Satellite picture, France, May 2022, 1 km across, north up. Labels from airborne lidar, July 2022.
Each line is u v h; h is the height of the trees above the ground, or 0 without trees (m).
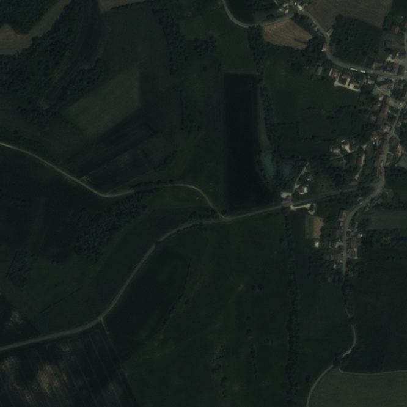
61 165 0
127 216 29
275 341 0
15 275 13
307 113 0
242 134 0
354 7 0
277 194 8
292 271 8
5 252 0
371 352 0
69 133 0
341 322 0
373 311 0
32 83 17
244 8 0
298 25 0
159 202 0
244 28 0
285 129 0
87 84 11
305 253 0
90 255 8
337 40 7
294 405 15
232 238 0
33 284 0
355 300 0
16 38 0
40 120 25
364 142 8
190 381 0
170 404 0
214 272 0
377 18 0
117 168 0
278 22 0
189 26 0
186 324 0
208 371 0
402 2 0
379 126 0
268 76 0
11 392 0
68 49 17
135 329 0
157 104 0
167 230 0
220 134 0
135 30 0
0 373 0
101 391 0
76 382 0
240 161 0
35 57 23
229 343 0
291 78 0
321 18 0
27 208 13
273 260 0
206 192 0
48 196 0
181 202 0
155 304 0
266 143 0
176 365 0
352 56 0
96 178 0
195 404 0
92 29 0
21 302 0
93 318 0
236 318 0
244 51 0
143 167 0
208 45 21
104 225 8
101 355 0
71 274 0
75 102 0
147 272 0
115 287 0
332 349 0
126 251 0
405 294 0
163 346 0
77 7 13
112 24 0
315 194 0
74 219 0
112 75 0
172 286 0
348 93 0
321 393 0
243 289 0
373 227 0
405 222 0
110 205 0
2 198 16
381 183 0
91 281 0
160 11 15
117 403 0
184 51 15
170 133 0
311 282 0
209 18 0
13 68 14
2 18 15
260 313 0
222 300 0
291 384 12
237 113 0
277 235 0
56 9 0
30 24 17
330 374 0
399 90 8
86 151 0
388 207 8
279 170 10
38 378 0
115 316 0
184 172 0
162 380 0
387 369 0
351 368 0
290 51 8
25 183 0
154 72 0
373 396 0
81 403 0
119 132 0
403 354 0
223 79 0
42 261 0
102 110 0
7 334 0
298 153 0
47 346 0
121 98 0
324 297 0
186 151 0
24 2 25
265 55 13
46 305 0
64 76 0
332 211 0
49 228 0
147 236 0
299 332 10
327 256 0
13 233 0
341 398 0
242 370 0
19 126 0
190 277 0
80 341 0
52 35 15
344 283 8
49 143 0
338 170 17
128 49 0
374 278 0
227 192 0
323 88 0
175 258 0
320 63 7
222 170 0
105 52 0
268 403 0
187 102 10
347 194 7
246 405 0
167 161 16
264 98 19
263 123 0
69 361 0
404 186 0
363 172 6
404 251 0
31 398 0
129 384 0
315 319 0
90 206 0
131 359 0
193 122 16
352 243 0
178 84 0
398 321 0
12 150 0
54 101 0
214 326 0
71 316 0
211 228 0
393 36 0
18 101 7
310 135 0
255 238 0
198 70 0
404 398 0
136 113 0
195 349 0
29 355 0
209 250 0
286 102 0
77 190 0
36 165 0
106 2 0
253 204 0
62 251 0
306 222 0
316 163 24
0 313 0
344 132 0
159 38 0
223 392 10
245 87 0
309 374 0
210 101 0
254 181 0
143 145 0
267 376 0
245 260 0
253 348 7
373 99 12
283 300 0
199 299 0
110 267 0
